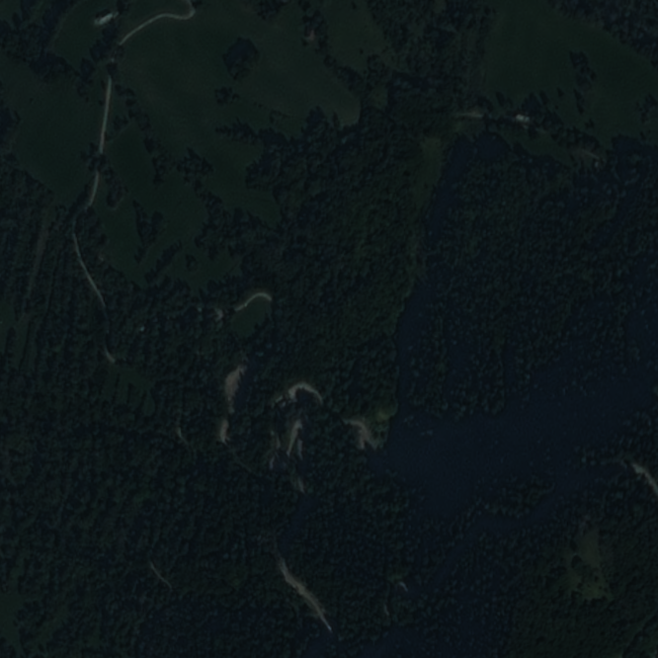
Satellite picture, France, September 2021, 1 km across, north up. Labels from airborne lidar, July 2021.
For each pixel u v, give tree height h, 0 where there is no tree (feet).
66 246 40
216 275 0
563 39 0
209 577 52
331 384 94
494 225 100
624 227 72
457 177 69
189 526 85
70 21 0
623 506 72
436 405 69
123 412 29
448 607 53
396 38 45
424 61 85
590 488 83
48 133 0
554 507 81
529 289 112
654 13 52
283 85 0
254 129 0
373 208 80
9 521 19
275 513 96
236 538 47
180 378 55
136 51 0
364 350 119
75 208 29
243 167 0
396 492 87
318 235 83
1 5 0
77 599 26
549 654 80
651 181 93
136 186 0
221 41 0
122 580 69
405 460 0
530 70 0
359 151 83
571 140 58
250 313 0
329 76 0
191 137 0
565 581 67
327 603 76
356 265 92
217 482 78
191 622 50
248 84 0
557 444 106
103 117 0
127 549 26
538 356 96
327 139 85
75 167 0
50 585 24
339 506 59
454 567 77
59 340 58
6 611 0
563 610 77
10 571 66
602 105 0
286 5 26
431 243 41
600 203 87
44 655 37
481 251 60
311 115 0
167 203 0
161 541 21
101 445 23
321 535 75
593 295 71
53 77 84
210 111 0
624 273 60
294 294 74
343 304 77
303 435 0
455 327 93
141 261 29
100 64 61
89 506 60
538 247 90
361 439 0
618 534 52
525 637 77
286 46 0
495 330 101
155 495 72
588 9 27
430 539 80
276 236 21
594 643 81
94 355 55
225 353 52
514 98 0
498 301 102
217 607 82
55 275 23
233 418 23
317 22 57
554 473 86
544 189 78
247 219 50
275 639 89
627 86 0
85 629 31
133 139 0
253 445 56
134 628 58
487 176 81
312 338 62
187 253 0
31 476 22
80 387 23
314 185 99
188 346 29
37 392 22
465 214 102
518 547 71
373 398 62
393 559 91
